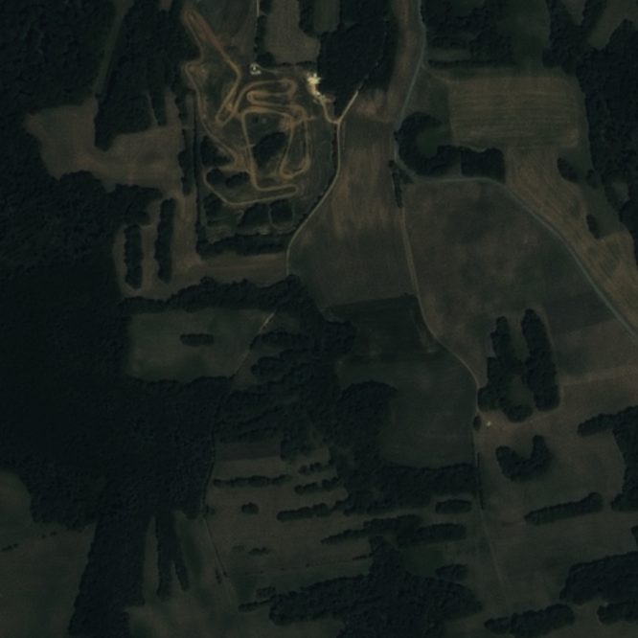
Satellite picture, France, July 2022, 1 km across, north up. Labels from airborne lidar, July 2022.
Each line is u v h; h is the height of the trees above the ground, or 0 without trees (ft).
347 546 0
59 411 33
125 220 35
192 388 56
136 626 0
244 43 0
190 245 0
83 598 44
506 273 0
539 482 0
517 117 0
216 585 0
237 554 0
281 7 0
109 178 0
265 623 0
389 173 0
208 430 38
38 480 85
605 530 0
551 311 0
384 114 0
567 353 0
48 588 0
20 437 48
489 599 0
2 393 43
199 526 0
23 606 0
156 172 0
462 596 52
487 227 0
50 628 0
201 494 27
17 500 0
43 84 71
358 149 0
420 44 0
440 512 29
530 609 0
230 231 0
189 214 0
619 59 39
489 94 0
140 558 34
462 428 0
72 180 74
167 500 47
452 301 0
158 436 39
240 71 0
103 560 57
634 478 43
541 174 0
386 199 0
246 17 0
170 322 0
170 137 0
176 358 0
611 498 0
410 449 0
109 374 28
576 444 0
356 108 0
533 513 28
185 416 33
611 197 23
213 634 0
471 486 43
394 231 0
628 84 49
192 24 0
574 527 0
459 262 0
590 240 0
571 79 0
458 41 24
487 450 0
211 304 34
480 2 0
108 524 66
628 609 55
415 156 68
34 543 0
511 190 0
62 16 73
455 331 0
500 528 0
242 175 39
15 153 76
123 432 27
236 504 0
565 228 0
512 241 0
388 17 47
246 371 0
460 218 0
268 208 28
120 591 33
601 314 0
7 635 0
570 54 49
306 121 0
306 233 0
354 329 48
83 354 34
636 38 34
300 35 0
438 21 64
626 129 56
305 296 62
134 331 0
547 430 0
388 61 28
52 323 38
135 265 46
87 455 32
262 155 57
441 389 0
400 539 25
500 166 56
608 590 63
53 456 49
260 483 52
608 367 0
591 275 0
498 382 55
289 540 0
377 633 59
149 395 35
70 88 61
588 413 0
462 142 0
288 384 34
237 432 26
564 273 0
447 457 0
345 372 0
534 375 65
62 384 35
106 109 78
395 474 80
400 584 47
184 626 0
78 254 37
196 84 0
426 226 0
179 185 0
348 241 0
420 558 0
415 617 70
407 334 0
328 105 0
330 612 46
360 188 0
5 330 36
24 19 64
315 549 0
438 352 0
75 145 0
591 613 0
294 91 0
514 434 0
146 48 31
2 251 48
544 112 0
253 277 0
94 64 80
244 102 0
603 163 61
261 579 0
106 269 29
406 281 0
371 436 50
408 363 0
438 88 0
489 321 0
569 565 0
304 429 33
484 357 0
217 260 0
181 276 0
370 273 0
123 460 28
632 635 0
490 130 0
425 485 58
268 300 47
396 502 45
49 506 76
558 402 25
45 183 70
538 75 0
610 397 0
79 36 83
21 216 24
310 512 41
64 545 0
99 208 70
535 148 0
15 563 0
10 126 83
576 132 0
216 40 0
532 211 0
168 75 40
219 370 0
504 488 0
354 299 0
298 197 0
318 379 72
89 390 56
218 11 0
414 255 0
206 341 33
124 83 65
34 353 43
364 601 24
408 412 0
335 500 0
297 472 0
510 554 0
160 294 0
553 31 26
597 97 62
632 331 0
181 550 24
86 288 51
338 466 20
